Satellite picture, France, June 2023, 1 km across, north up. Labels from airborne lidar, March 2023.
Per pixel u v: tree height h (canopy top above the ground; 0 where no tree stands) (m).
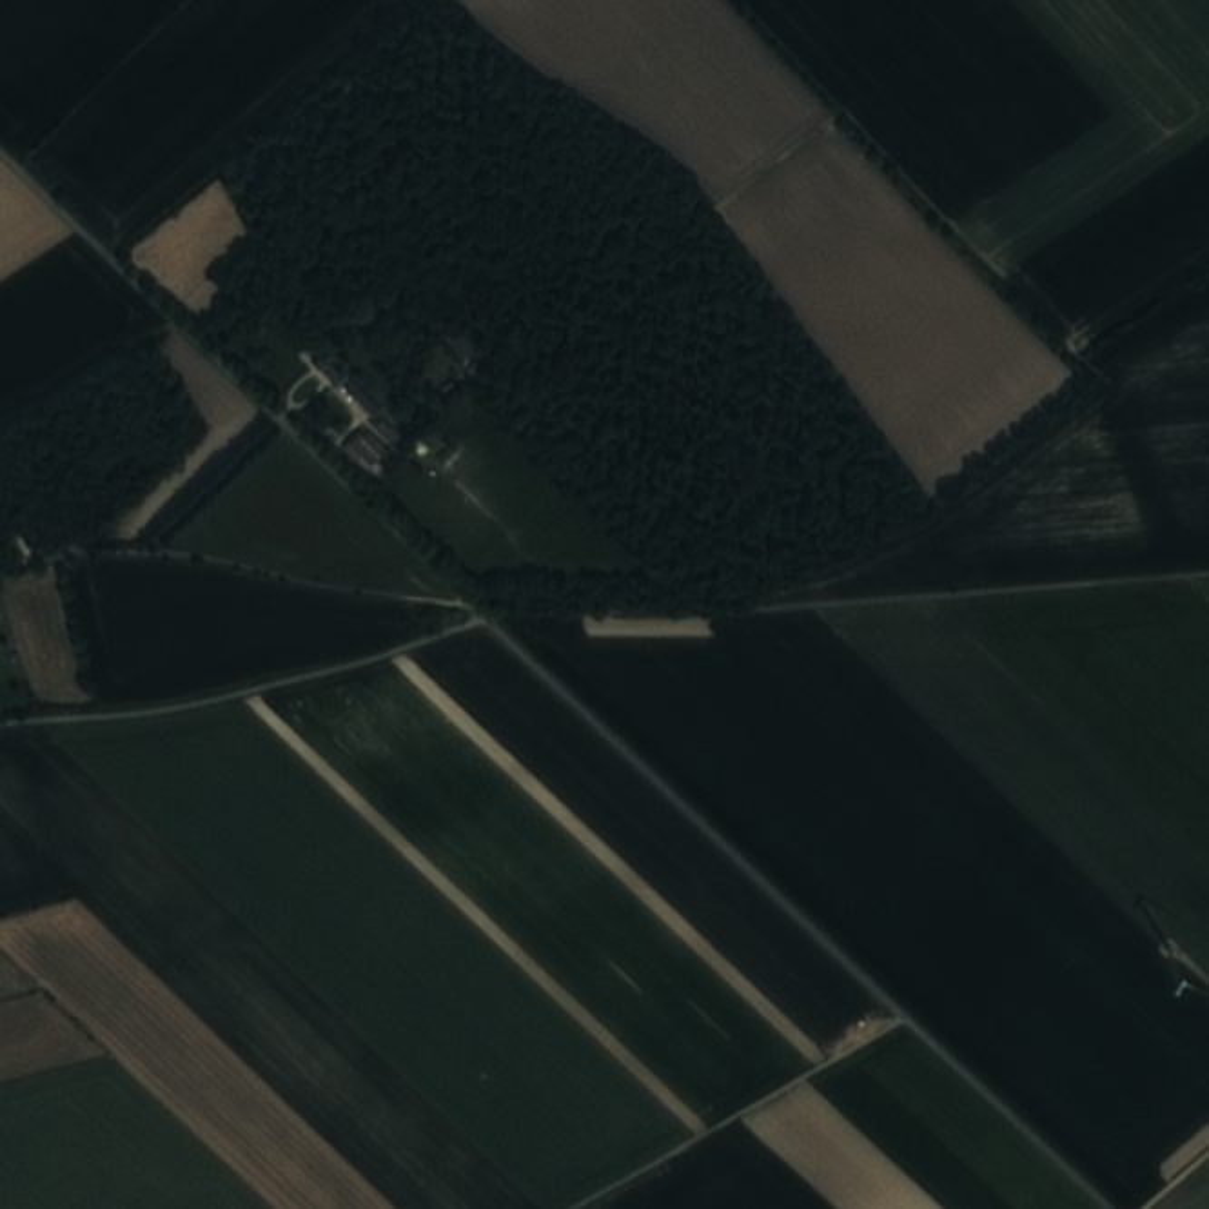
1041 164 0
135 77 0
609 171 26
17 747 0
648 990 0
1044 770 0
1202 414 0
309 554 0
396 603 0
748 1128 0
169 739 0
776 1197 0
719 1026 0
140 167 0
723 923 0
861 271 0
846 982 0
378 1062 0
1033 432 13
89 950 0
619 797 0
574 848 0
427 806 0
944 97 0
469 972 0
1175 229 0
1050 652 0
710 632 0
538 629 0
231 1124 0
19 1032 0
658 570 18
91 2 0
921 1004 0
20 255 0
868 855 0
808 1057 0
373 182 23
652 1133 0
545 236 26
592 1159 0
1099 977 0
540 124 23
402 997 0
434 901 0
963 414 0
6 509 25
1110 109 0
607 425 20
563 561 0
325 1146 0
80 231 0
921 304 0
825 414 22
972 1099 0
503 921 0
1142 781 0
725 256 20
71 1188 0
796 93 0
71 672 0
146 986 0
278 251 22
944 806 0
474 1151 0
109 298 0
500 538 0
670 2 0
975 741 0
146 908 0
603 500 17
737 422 18
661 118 0
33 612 0
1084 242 0
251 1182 0
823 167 0
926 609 0
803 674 0
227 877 0
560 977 0
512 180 26
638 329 16
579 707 0
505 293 23
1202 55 0
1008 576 0
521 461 0
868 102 0
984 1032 0
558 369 23
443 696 0
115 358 17
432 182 28
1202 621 0
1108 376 0
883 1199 0
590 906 0
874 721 0
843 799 0
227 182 18
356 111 24
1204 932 0
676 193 24
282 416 0
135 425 24
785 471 26
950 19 0
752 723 0
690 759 0
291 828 0
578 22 0
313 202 23
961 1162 0
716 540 27
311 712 0
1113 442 0
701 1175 0
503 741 0
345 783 0
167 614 0
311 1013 0
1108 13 0
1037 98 0
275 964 0
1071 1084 0
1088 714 0
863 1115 0
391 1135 0
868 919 0
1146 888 0
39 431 28
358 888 0
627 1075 0
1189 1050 0
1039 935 0
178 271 0
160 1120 0
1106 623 0
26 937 0
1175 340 0
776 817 0
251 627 0
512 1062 0
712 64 0
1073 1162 0
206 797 0
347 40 0
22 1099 0
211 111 0
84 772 0
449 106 20
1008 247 0
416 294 30
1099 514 0
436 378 0
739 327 20
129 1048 0
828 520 20
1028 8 0
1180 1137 0
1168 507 0
